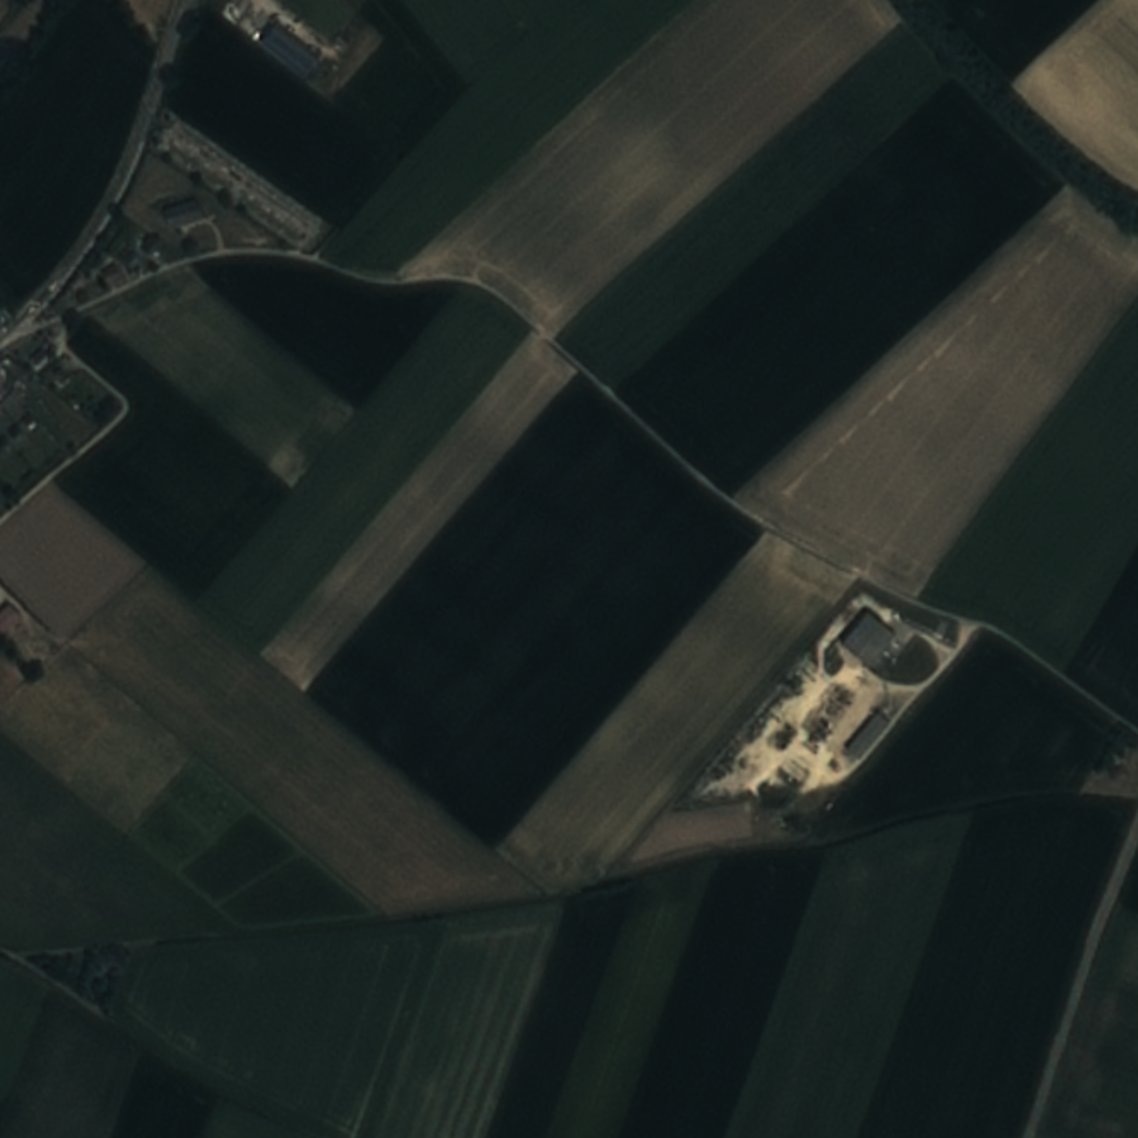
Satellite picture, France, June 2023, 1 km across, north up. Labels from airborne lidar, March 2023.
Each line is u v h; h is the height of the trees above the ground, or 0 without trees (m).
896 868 0
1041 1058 0
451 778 0
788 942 0
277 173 0
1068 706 0
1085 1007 0
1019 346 0
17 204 0
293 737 0
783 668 0
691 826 0
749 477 0
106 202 0
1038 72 0
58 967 9
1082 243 0
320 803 0
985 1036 0
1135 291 0
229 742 0
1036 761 0
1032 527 0
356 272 0
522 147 0
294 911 0
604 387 0
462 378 0
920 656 0
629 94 0
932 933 0
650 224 0
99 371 0
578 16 0
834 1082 0
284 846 0
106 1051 0
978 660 0
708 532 0
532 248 0
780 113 0
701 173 0
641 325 0
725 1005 0
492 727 0
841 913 0
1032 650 0
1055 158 11
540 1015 0
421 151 0
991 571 0
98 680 0
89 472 0
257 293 0
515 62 0
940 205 0
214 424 0
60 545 0
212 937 0
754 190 0
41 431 0
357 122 0
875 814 0
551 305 0
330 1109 0
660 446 0
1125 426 0
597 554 0
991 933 0
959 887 0
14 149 0
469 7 0
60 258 0
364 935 0
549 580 0
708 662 0
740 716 0
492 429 0
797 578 0
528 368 0
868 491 0
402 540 0
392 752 0
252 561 0
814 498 0
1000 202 0
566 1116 0
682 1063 0
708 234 0
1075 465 0
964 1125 0
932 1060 0
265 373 0
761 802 0
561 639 0
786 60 0
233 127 0
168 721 0
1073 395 0
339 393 0
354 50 0
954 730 0
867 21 0
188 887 0
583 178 0
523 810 0
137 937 0
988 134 0
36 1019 0
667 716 0
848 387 0
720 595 0
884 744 0
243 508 0
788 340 0
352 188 0
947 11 0
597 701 0
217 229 0
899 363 0
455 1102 0
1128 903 0
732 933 0
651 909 0
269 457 0
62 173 0
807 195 0
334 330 0
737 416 0
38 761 0
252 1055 0
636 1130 0
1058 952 0
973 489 0
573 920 0
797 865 0
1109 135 0
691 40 0
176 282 0
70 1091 0
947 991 0
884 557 0
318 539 0
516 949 0
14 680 0
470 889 0
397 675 0
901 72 0
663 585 0
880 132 0
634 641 0
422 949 0
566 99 0
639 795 0
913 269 0
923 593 0
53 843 0
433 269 0
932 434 0
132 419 0
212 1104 0
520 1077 0
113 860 0
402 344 0
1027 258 0
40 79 0
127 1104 0
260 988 0
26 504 0
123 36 0
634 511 0
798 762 0
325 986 0
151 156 0
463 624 0
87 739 0
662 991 0
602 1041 0
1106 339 0
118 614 0
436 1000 0
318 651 0
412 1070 0
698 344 0
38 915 0
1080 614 0
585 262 0
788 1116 0
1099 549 0
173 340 0
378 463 0
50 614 0
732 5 0
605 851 0
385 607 0
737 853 0
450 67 0
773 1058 0
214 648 0
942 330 0
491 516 0
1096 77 0
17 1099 0
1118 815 0
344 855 0
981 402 0
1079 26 0
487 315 0
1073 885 0
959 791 0
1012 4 0
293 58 8
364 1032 0
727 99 0
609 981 0
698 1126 0
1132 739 7
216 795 0
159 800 0
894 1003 0
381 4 0
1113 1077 0
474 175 0
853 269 0
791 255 0
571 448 0
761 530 0
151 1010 0
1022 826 0
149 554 0
